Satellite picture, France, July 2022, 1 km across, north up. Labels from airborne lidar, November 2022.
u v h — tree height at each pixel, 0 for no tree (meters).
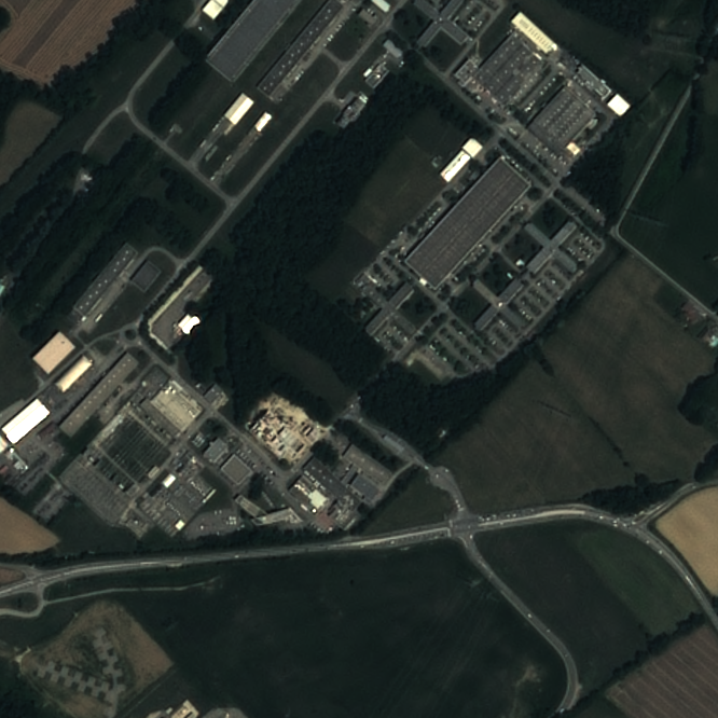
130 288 0
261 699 0
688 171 16
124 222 18
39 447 0
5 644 0
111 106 0
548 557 0
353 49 0
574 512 0
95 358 0
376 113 11
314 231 26
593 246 0
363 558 0
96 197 22
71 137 0
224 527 0
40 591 0
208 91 0
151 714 0
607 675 0
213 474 0
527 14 6
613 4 23
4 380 0
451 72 0
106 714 0
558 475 0
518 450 0
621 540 0
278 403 0
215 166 0
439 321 12
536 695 0
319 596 0
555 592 0
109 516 0
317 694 0
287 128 0
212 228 0
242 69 0
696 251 0
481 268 0
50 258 6
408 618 0
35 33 0
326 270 0
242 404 21
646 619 0
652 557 0
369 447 19
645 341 0
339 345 23
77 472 0
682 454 0
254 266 26
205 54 24
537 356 20
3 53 0
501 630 0
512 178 0
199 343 25
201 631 0
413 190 0
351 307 17
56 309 16
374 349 25
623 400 0
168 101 20
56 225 18
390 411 25
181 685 0
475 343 7
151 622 0
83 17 0
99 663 0
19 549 0
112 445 0
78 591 0
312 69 0
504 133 0
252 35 0
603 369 0
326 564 0
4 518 0
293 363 0
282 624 0
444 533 0
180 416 0
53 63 0
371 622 0
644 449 0
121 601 0
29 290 7
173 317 0
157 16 25
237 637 0
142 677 0
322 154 25
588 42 0
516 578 0
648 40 10
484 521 0
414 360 0
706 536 0
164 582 0
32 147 0
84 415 0
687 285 0
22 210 19
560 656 0
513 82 0
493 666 0
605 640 0
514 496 0
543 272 0
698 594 0
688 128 0
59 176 20
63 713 0
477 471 0
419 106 17
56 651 0
